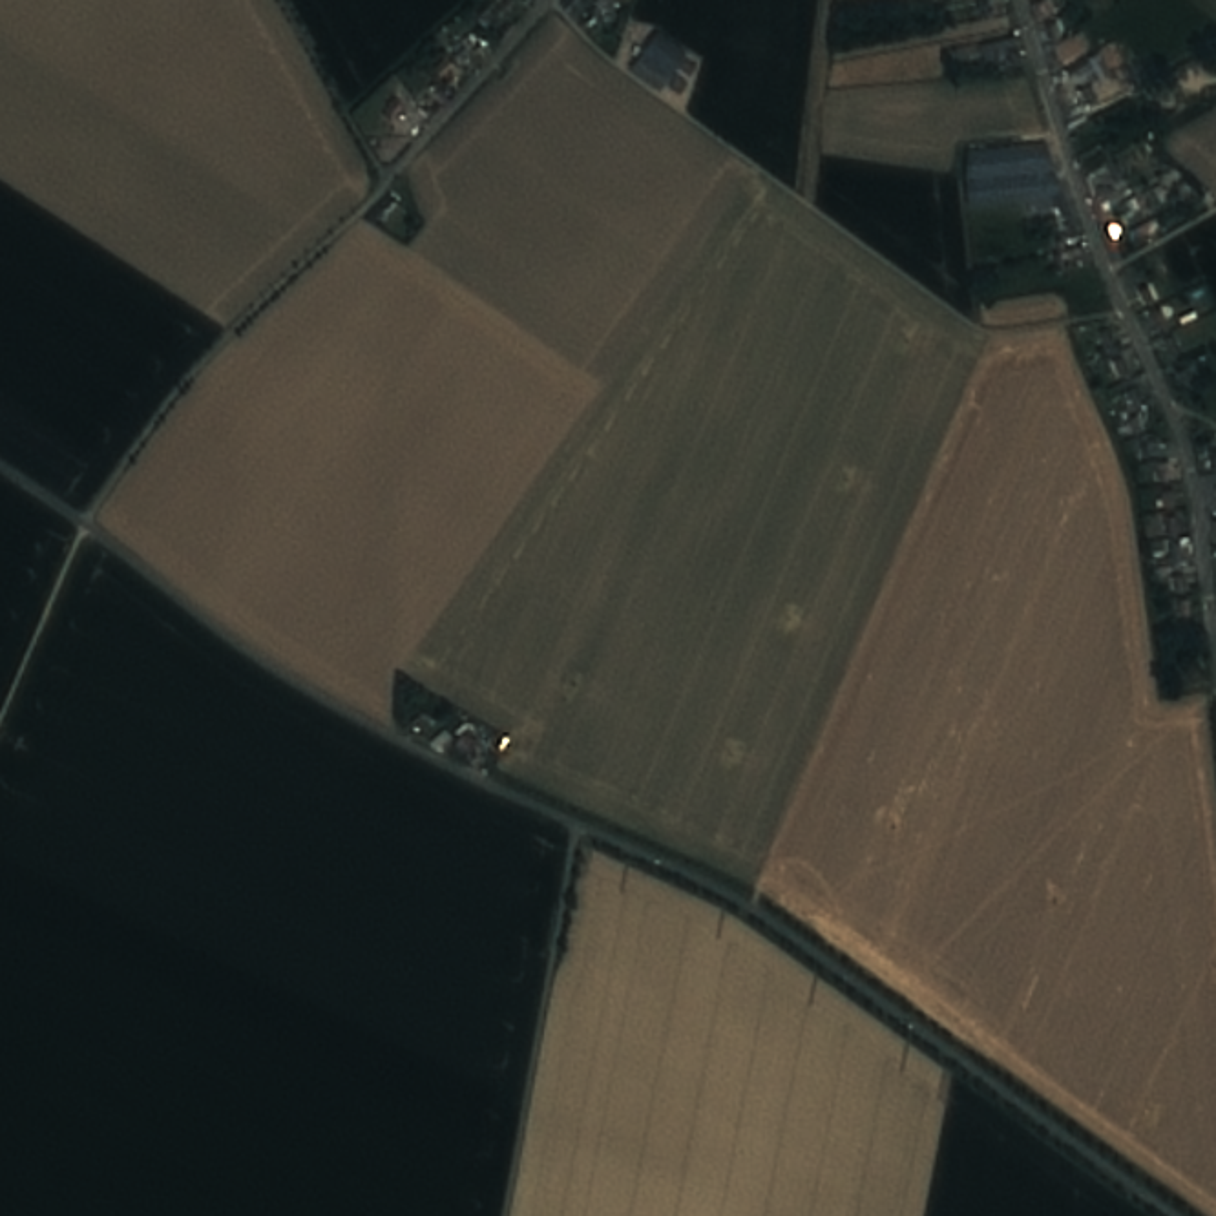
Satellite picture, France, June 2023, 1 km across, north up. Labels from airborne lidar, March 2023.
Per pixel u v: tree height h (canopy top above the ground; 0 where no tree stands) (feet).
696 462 0
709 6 0
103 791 0
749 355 0
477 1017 0
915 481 0
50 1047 0
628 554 0
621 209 0
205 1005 0
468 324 0
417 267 0
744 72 0
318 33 0
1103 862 0
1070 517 0
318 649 0
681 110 0
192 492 0
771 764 0
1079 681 0
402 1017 0
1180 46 0
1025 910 0
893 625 0
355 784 0
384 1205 0
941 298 0
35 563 0
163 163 0
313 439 0
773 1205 0
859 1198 0
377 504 0
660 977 0
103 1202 0
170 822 0
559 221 0
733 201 0
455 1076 0
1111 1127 0
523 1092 0
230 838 0
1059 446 0
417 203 0
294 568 0
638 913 0
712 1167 0
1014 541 0
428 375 0
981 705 0
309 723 0
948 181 0
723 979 0
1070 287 0
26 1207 0
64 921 0
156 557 0
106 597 0
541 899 0
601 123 0
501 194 0
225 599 0
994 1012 0
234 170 0
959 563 0
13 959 0
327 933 0
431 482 0
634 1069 0
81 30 0
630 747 0
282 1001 0
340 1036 0
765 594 0
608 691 0
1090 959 0
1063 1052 0
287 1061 0
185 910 0
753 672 0
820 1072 0
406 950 0
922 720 0
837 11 41
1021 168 0
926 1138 0
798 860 0
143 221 0
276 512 0
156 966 0
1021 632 0
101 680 0
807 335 0
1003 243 0
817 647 0
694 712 0
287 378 0
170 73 0
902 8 41
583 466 0
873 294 0
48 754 0
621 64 0
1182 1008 0
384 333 0
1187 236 0
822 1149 0
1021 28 0
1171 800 0
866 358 0
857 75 0
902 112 0
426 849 0
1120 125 37
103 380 0
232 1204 0
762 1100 0
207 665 0
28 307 0
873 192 0
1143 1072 0
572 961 0
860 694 0
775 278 0
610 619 0
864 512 0
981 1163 0
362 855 0
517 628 0
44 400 0
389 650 0
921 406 0
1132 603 0
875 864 0
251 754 0
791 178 0
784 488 0
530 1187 0
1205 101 0
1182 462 0
